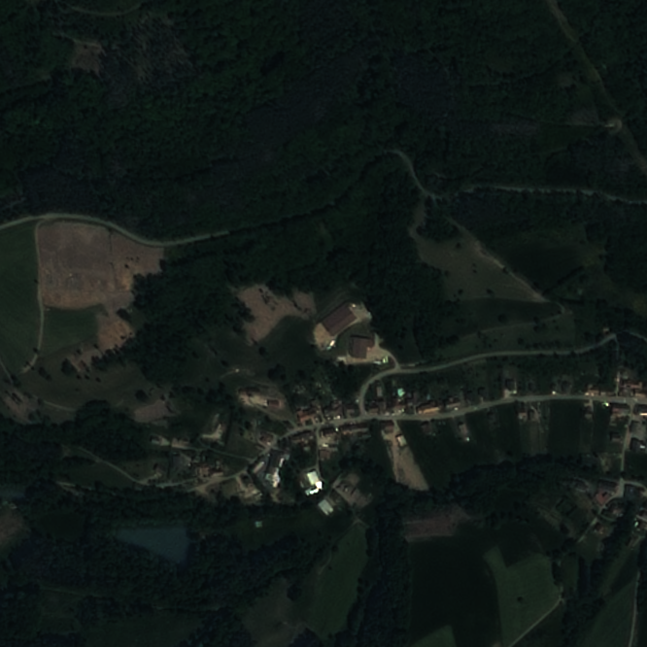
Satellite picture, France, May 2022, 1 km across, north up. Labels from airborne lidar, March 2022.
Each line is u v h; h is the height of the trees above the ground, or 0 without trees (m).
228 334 0
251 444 0
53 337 0
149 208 18
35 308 0
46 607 0
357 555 0
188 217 20
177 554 0
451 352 0
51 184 28
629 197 15
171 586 26
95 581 28
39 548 30
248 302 0
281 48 21
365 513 0
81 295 0
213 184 21
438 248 0
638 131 24
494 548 0
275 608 0
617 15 26
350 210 22
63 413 0
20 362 0
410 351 0
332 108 28
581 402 0
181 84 17
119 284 0
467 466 0
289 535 0
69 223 0
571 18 17
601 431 0
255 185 21
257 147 22
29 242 0
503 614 0
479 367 0
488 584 0
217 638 20
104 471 0
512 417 0
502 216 21
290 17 28
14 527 0
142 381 0
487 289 0
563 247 0
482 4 19
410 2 26
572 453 0
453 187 15
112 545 19
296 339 0
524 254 0
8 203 24
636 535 0
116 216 23
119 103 21
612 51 23
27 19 23
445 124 28
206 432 0
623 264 13
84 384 0
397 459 0
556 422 0
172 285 24
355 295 0
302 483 0
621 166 18
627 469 0
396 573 17
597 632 0
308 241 22
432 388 0
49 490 27
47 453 29
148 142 19
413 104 25
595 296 0
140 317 0
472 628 0
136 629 0
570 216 21
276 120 28
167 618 0
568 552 12
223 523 31
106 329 0
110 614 25
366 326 0
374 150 29
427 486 0
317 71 25
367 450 0
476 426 0
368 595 0
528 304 0
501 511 0
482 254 0
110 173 23
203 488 0
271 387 0
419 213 0
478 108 15
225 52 22
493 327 0
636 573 0
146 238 13
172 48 26
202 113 14
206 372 0
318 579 0
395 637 23
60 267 0
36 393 0
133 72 24
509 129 21
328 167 11
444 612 0
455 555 0
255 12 23
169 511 35
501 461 0
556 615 0
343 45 20
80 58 21
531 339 0
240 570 23
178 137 20
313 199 22
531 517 0
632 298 0
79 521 0
